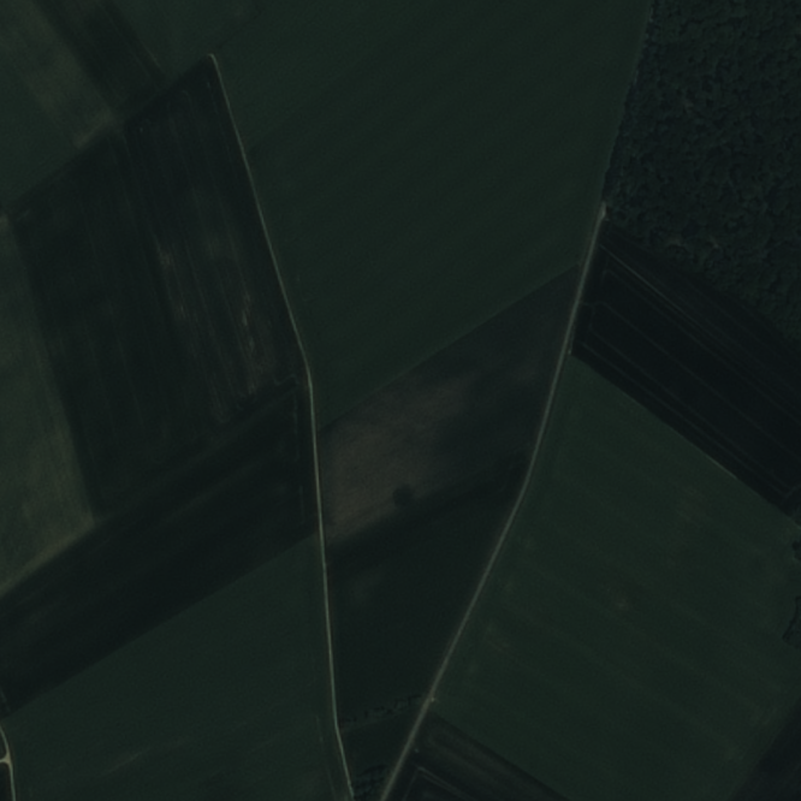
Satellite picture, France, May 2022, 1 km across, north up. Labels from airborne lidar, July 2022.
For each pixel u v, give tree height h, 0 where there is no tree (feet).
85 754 0
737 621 0
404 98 0
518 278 0
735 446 0
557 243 0
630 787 0
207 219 0
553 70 0
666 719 0
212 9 0
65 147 0
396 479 0
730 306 0
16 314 0
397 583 0
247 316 0
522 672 0
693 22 103
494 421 0
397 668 0
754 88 109
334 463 0
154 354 0
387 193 0
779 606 0
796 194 91
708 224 92
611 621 0
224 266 0
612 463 0
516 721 0
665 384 0
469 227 0
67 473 0
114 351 0
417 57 0
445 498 0
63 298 0
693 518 0
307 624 0
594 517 0
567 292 0
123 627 0
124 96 0
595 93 0
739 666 0
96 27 0
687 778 0
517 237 0
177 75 0
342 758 0
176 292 0
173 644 0
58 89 0
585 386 0
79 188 0
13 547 0
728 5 81
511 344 0
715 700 0
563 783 0
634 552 0
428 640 0
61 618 0
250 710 0
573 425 0
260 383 0
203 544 0
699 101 109
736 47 83
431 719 0
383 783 33
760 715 0
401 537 0
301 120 0
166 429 0
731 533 0
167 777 0
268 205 0
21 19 0
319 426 0
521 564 0
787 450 0
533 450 0
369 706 0
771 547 0
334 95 0
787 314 80
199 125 0
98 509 0
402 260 0
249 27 0
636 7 0
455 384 0
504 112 0
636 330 0
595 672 0
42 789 0
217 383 0
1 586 0
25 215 0
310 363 0
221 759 0
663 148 99
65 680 0
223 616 0
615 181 75
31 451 0
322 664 0
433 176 0
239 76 0
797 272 94
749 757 0
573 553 0
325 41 0
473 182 0
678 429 0
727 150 107
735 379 0
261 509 0
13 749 0
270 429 0
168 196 0
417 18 0
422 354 0
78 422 0
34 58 0
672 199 96
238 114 0
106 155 0
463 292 0
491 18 0
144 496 0
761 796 0
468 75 0
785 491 0
